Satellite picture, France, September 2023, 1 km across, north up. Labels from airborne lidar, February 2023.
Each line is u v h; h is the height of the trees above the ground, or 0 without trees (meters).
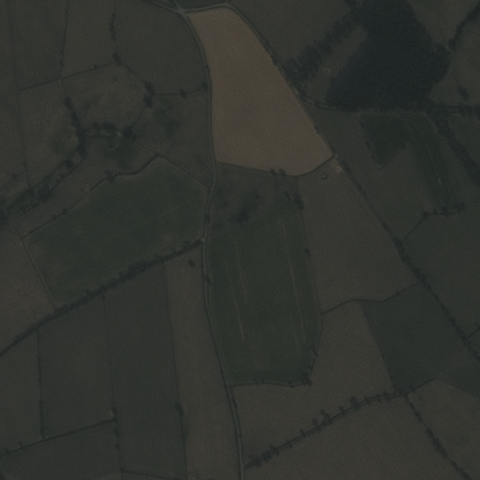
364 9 14
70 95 0
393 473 0
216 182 0
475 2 0
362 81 23
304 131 0
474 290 0
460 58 0
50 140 0
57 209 0
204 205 0
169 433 0
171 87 0
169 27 0
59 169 0
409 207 0
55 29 0
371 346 0
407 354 0
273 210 0
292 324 0
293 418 0
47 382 0
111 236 0
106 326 0
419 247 0
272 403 0
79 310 0
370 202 0
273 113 0
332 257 0
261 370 0
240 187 0
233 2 0
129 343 0
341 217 0
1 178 0
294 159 0
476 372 0
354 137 0
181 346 0
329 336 0
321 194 0
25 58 0
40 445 0
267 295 0
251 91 0
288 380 0
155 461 0
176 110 0
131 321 0
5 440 0
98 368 0
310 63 19
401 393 10
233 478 0
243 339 0
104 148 0
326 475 0
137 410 0
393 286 0
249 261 0
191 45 0
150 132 0
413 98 20
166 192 0
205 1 0
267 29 0
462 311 0
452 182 0
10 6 0
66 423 0
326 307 0
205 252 0
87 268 0
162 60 0
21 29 0
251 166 0
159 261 8
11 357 0
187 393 0
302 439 0
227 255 0
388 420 0
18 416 0
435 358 0
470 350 17
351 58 0
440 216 0
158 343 0
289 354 0
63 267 0
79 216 0
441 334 0
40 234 0
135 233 0
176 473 0
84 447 0
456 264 0
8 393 0
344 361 0
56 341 0
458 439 0
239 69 0
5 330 0
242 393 0
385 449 0
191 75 0
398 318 0
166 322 0
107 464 0
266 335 0
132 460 0
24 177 0
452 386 0
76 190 0
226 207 0
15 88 0
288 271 0
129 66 0
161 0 0
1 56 0
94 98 0
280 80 0
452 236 0
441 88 0
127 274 11
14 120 0
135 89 0
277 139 0
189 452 0
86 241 0
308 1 0
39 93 0
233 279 0
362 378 0
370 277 0
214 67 0
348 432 0
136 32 0
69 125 0
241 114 0
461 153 16
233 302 0
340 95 26
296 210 0
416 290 0
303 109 0
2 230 0
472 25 0
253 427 0
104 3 0
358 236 0
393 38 28
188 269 0
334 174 0
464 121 0
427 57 24
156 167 0
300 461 0
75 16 0
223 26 0
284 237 0
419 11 0
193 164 0
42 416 8
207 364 0
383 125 0
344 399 0
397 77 27
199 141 0
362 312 0
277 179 0
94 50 0
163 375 0
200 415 0
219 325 0
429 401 0
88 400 0
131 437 0
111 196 0
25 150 0
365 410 0
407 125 0
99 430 0
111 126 12
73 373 0
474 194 0
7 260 0
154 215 0
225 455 0
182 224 0
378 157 0
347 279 0
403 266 0
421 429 0
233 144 0
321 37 0
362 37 0
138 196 0
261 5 0
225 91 0
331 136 0
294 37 0
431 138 0
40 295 0
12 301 0
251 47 0
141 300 0
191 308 0
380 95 23
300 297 0
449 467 0
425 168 0
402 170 0
